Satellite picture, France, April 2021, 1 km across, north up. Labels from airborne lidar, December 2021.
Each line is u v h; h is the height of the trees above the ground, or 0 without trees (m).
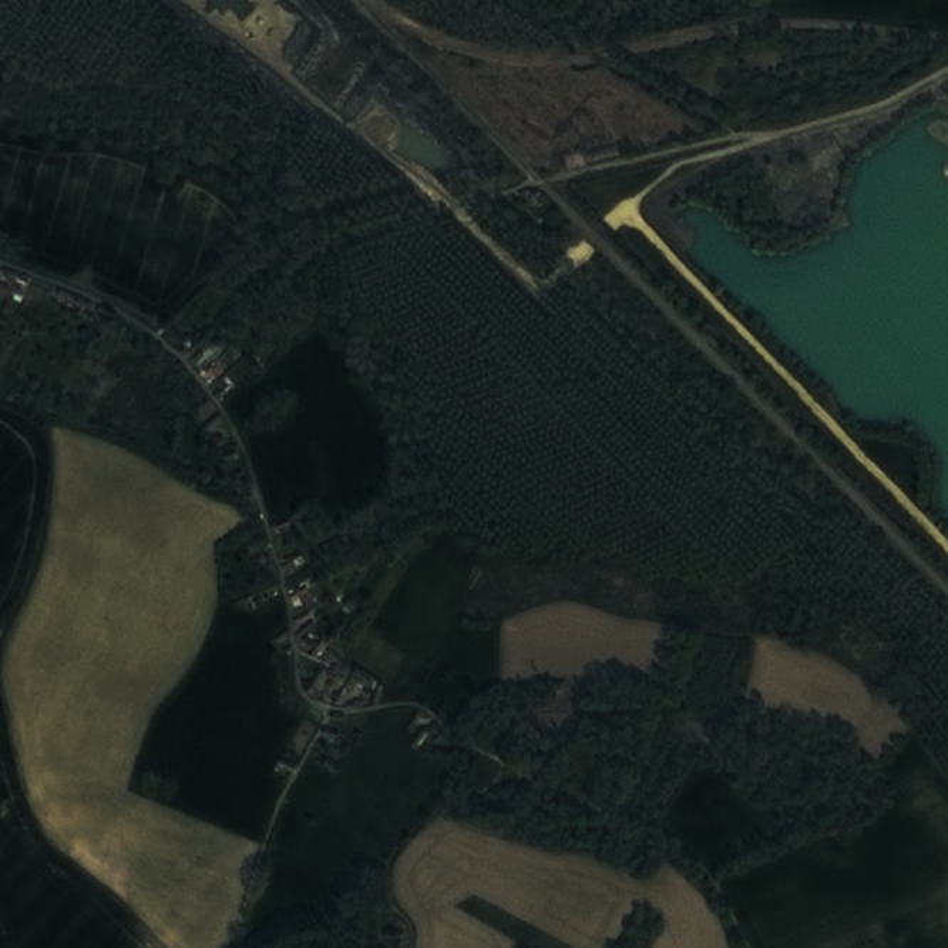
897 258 0
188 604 0
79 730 0
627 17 6
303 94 0
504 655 0
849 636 0
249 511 18
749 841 0
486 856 0
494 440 35
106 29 26
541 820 25
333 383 0
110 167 0
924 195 0
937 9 0
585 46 21
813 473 21
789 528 30
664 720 7
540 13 21
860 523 6
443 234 35
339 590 18
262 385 0
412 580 0
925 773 0
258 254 30
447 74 0
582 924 0
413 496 27
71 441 0
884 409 0
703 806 0
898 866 0
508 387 34
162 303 0
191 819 0
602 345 32
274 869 19
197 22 0
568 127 0
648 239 0
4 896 0
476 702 31
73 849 0
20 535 0
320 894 0
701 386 21
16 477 0
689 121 14
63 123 13
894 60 13
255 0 0
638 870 16
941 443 0
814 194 0
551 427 35
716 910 17
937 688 25
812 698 0
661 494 35
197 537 0
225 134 20
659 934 17
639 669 0
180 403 12
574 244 0
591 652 0
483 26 27
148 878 0
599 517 31
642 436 28
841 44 9
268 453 0
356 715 0
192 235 0
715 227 0
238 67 23
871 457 0
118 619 0
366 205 34
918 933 0
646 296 9
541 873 0
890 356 0
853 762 19
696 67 0
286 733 0
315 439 0
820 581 26
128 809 0
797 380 0
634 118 0
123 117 15
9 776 0
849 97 7
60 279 0
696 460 33
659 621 0
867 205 0
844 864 0
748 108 0
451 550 0
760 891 0
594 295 26
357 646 12
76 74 25
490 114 0
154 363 23
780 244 14
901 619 28
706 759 22
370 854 0
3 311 8
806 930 0
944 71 0
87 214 0
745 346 0
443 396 32
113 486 0
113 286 0
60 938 0
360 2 0
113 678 0
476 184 29
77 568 0
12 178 0
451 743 10
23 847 0
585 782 0
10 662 0
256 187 27
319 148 31
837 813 18
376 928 22
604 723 25
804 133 0
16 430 0
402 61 24
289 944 36
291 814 0
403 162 0
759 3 25
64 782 0
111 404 0
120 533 0
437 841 0
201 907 0
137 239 0
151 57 22
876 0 0
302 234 39
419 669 0
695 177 0
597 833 19
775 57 0
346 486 0
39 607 0
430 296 35
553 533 36
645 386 31
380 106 0
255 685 0
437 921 0
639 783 12
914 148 0
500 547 18
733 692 12
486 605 0
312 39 0
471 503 35
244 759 0
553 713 0
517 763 38
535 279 0
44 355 11
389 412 9
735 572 28
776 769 6
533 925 0
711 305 0
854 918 0
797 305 0
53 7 26
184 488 0
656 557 34
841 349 0
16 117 8
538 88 0
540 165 0
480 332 25
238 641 0
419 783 0
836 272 0
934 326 0
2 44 24
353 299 25
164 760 0
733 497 34
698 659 7
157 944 0
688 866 15
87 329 11
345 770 0
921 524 0
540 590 0
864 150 13
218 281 27
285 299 29
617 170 7
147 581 0
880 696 30
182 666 0
